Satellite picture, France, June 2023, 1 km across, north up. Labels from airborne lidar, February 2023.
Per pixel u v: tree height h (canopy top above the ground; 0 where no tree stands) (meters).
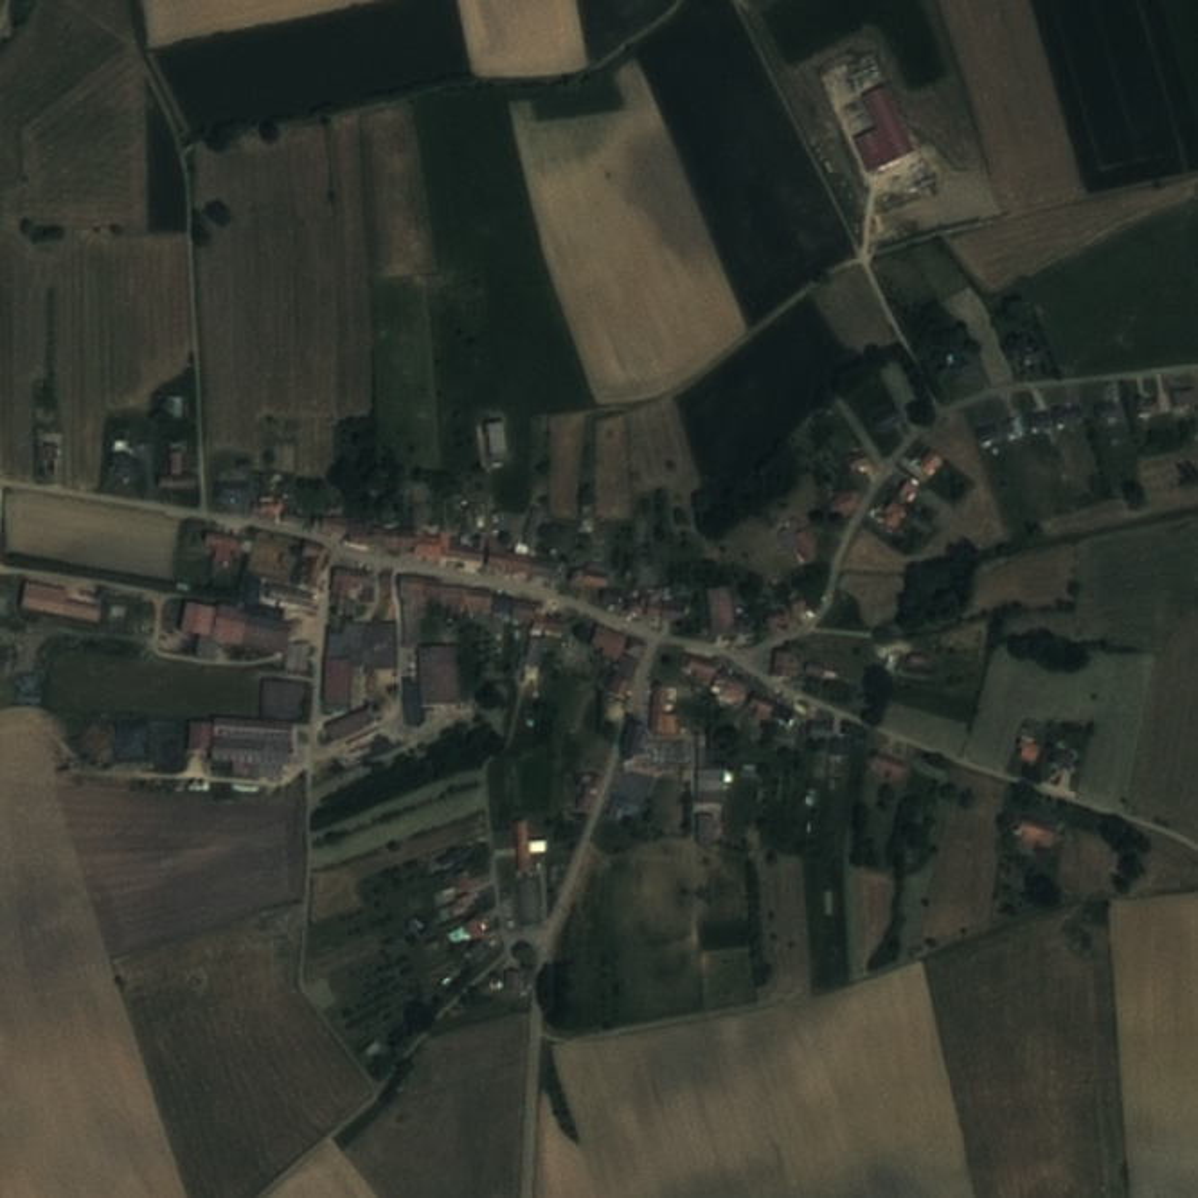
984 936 0
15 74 0
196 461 0
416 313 0
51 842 0
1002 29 0
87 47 0
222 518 0
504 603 0
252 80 0
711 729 6
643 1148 0
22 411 0
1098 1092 0
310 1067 0
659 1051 0
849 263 0
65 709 0
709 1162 0
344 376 0
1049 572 0
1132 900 0
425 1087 0
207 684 0
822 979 0
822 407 16
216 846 0
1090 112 0
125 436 0
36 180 0
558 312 0
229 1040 0
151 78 0
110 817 0
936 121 0
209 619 0
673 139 0
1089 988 0
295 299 0
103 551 0
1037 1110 0
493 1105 0
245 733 0
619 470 0
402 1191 0
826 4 0
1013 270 0
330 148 0
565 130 0
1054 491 0
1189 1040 0
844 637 0
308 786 0
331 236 0
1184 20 0
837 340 0
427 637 0
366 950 0
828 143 0
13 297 0
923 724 0
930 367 12
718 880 0
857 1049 0
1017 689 0
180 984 0
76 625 0
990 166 0
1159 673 0
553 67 0
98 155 0
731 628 0
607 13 0
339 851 0
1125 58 0
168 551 0
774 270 0
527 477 0
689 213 0
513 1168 0
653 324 0
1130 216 0
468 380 0
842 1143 0
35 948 0
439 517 0
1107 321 0
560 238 0
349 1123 0
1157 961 0
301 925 0
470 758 7
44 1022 0
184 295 0
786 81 0
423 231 0
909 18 0
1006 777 0
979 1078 0
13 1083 0
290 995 0
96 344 0
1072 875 0
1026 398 0
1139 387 0
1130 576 0
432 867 0
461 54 0
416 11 0
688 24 0
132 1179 0
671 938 0
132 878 0
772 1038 0
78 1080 0
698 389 0
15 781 0
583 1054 0
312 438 0
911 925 0
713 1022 0
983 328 0
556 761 13
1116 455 0
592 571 0
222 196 0
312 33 0
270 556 0
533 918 0
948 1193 0
